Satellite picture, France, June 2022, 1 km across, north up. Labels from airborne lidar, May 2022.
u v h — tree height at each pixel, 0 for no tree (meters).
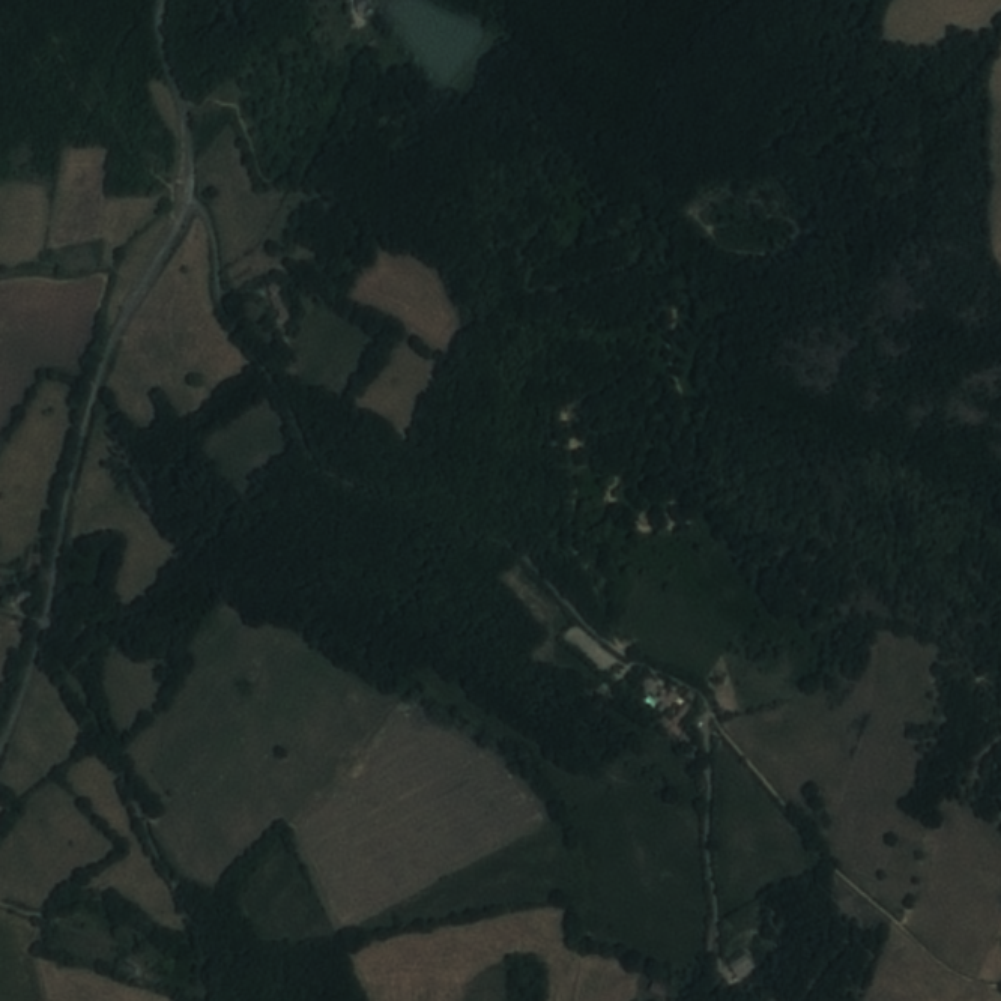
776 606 21
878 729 0
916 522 14
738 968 0
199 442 16
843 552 11
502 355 19
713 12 20
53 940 10
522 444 13
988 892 0
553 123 22
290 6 10
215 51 21
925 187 8
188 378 9
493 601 15
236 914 19
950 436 9
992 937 0
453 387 18
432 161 23
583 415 18
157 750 0
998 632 17
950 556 15
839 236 28
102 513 0
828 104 24
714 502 16
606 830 0
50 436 0
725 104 23
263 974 17
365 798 0
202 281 0
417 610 18
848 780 0
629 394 23
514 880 0
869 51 20
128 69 10
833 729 0
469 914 12
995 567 16
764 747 0
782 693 0
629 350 20
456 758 0
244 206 0
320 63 15
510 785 0
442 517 15
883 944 9
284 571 19
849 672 14
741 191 26
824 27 26
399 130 13
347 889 0
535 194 21
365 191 24
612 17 14
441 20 0
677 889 0
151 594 14
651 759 0
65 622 19
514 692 17
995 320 9
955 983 0
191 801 0
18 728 0
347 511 13
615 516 20
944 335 17
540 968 8
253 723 0
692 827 0
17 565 10
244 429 0
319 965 15
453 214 20
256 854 13
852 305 12
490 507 15
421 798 0
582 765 21
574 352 19
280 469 17
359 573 19
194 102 16
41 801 0
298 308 14
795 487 11
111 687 0
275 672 0
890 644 0
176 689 20
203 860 0
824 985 12
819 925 20
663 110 22
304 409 13
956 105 21
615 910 0
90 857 0
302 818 0
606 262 22
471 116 25
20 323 0
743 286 31
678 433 19
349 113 21
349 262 18
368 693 0
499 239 13
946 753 15
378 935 13
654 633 0
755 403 24
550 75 17
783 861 0
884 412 11
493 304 14
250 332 16
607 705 10
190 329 0
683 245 17
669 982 8
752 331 24
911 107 23
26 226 0
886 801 0
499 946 0
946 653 9
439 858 0
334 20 0
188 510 28
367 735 0
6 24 15
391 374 0
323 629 23
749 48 24
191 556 22
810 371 8
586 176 23
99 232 0
